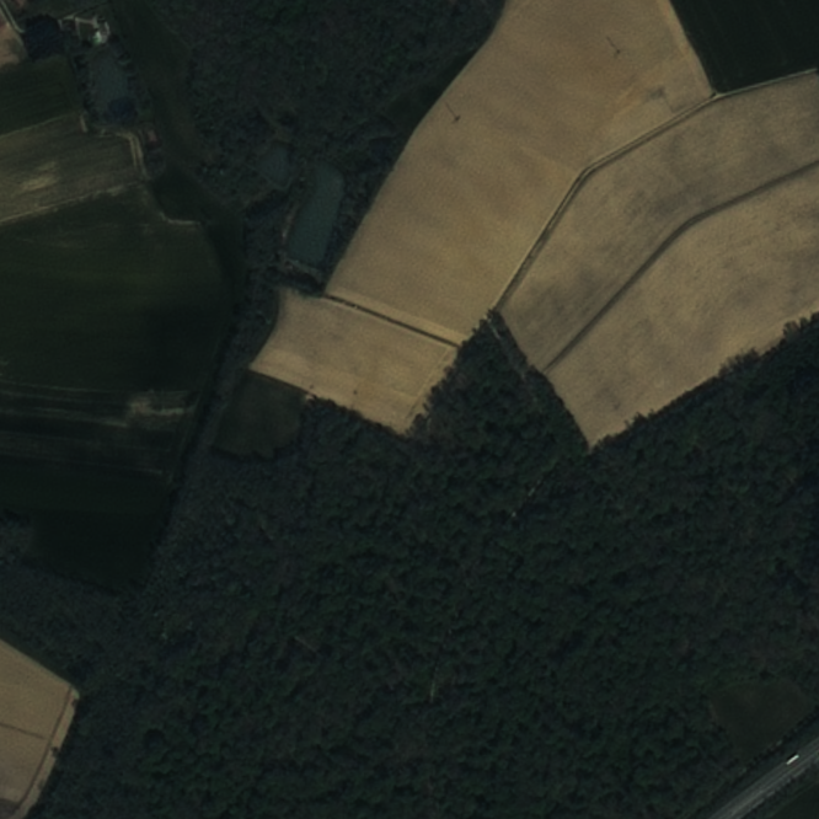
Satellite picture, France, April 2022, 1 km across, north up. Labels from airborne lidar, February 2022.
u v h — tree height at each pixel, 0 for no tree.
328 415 22
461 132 0
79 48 18
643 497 24
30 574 29
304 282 22
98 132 0
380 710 25
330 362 0
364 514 26
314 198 0
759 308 0
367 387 0
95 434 0
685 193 0
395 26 23
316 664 22
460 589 24
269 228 27
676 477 28
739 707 0
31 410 0
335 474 25
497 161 0
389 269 0
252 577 33
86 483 0
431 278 0
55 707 0
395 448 28
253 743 25
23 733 0
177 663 32
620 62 0
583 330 0
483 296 0
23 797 0
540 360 0
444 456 27
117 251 0
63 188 0
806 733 18
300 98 31
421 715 24
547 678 27
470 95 0
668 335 0
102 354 0
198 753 27
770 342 0
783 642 28
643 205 0
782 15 0
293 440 0
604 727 17
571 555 30
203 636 24
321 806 27
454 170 0
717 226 0
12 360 0
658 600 25
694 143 0
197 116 7
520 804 28
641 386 0
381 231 0
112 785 32
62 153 0
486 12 24
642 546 26
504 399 26
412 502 26
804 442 12
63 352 0
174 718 24
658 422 19
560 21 0
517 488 22
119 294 0
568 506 24
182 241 0
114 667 31
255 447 0
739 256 0
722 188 0
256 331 21
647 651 22
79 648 26
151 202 0
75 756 23
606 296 0
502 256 0
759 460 24
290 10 26
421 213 0
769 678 12
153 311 0
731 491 26
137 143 0
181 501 23
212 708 26
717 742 24
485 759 27
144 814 30
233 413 0
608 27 0
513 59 0
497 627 25
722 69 0
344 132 23
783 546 31
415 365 0
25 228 0
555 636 29
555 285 0
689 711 29
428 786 22
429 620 23
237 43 28
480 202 0
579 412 0
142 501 0
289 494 25
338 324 0
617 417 0
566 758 29
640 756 26
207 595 33
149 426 0
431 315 0
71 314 0
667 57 0
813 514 18
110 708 22
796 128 0
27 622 27
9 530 25
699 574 29
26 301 0
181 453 0
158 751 27
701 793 26
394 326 0
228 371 21
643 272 0
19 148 0
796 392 31
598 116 0
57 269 0
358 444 28
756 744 0
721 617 30
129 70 16
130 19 0
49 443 0
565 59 0
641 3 0
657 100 0
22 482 0
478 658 26
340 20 25
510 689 28
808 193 0
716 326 0
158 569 29
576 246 0
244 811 23
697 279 0
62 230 0
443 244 0
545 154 0
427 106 0
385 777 28
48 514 0
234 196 10
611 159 0
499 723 28
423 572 21
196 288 0
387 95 22
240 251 0
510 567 14
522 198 0
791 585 24
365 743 28
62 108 0
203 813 25
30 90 0
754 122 0
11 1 0
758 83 0
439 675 25
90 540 0
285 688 26
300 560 27
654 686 25
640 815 26
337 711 30
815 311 0
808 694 13
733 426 29
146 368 0
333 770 28
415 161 0
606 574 26
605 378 0
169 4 24
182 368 0
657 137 0
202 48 21
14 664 0
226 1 27
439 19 24
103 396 0
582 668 22
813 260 0
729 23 0
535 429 22
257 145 18
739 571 27
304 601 27
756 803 0
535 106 0
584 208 0
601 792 26
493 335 18
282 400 0
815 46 0
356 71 24
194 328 0
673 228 0
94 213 0
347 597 24
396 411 0
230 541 26
